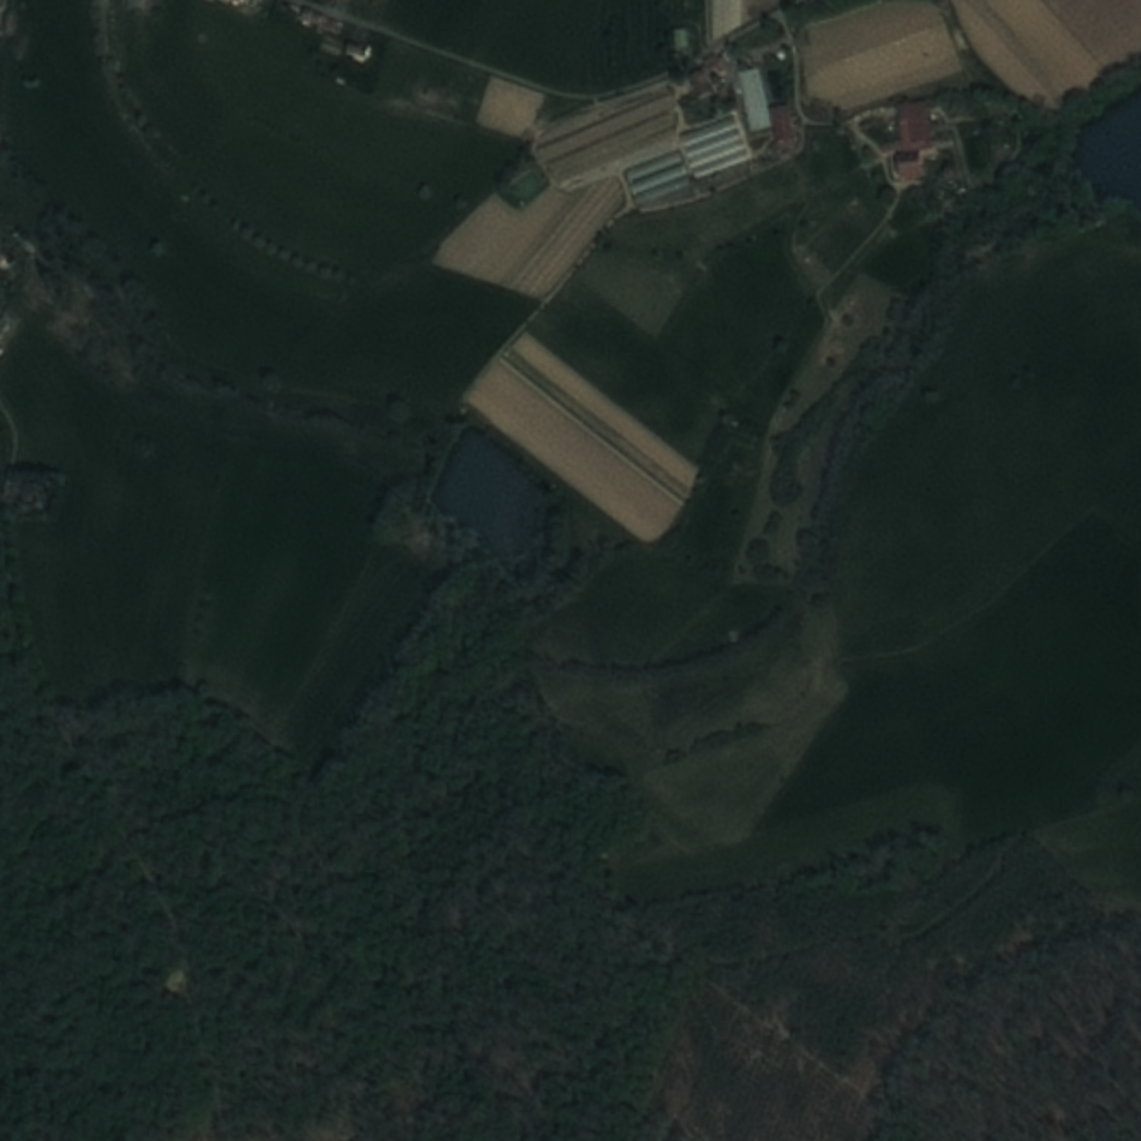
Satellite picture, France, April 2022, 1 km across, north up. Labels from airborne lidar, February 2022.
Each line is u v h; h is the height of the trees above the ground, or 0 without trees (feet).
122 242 0
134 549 0
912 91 0
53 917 83
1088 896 39
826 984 37
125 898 84
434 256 0
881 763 0
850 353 0
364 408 0
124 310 49
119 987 62
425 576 0
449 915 87
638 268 0
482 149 0
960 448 0
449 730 69
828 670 0
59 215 36
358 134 0
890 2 62
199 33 0
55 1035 83
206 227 0
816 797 0
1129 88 57
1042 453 0
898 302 29
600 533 0
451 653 77
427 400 0
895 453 0
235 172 0
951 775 0
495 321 0
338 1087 85
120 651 0
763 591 0
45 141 0
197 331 0
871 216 0
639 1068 80
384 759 80
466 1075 77
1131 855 0
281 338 0
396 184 0
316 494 0
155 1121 88
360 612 0
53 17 0
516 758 62
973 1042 85
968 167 0
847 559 0
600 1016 89
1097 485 0
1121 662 0
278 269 0
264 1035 83
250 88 0
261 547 0
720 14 0
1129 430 0
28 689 83
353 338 0
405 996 85
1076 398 0
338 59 0
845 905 44
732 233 0
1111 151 0
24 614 52
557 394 0
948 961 33
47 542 0
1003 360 0
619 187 0
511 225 0
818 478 0
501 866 88
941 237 53
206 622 31
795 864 0
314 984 75
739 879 0
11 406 0
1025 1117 88
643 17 0
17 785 90
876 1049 38
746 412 0
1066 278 0
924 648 0
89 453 0
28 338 0
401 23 0
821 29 0
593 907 97
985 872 35
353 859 88
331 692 0
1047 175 75
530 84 0
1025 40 0
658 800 0
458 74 0
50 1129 86
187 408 0
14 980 88
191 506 0
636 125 0
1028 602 0
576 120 0
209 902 78
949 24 0
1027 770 0
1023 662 0
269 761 69
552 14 0
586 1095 82
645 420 0
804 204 0
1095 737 0
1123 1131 90
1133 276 0
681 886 0
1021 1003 82
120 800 82
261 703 0
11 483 46
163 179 0
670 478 0
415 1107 0
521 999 86
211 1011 66
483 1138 78
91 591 0
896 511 0
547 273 0
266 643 0
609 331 0
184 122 0
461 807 66
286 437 0
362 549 0
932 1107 94
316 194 0
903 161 0
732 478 0
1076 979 94
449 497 0
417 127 0
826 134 0
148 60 0
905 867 90
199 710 80
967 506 0
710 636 0
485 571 95
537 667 58
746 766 0
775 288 0
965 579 0
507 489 0
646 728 0
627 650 0
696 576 0
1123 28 0
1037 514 0
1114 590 0
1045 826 0
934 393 29
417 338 0
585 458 0
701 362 0
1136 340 0
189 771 72
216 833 88
